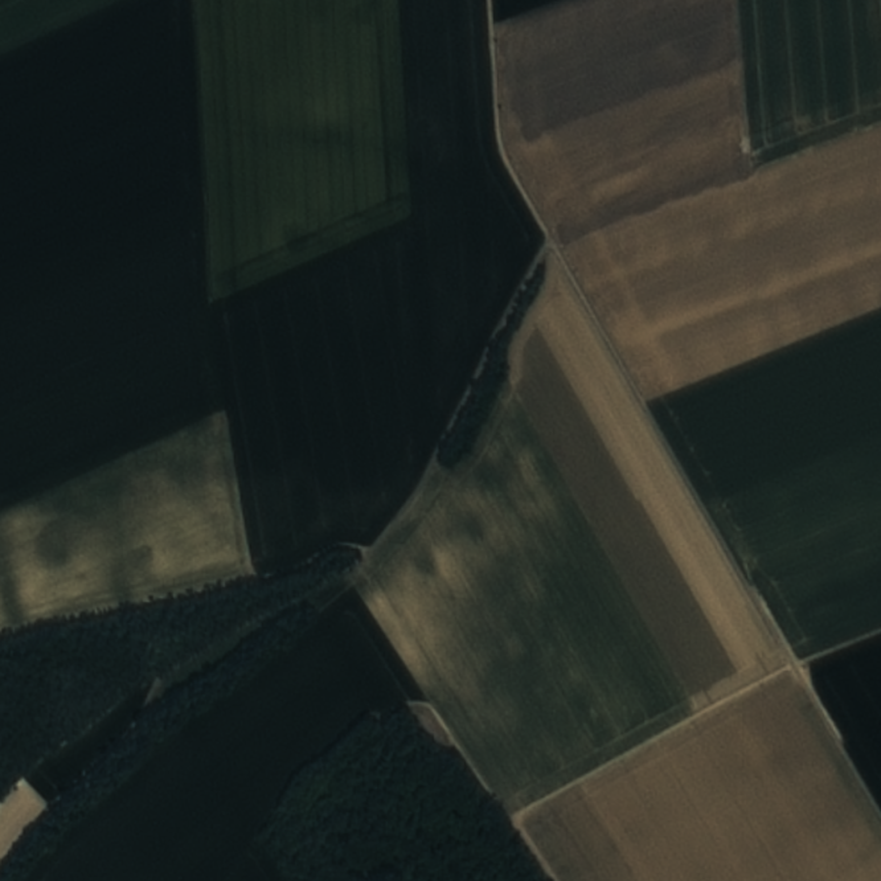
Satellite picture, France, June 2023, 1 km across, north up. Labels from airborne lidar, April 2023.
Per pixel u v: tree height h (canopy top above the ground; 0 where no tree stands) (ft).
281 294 0
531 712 0
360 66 0
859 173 0
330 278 0
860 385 0
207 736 0
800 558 0
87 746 0
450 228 0
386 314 0
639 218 0
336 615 0
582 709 0
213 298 0
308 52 0
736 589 0
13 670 63
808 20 0
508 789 0
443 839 68
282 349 0
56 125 0
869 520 0
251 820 0
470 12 0
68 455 0
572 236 0
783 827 0
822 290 0
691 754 0
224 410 0
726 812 0
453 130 0
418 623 0
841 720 0
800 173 0
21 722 64
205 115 0
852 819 0
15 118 0
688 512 0
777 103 0
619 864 0
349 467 0
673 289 0
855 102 0
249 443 0
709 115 0
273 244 0
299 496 0
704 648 0
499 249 0
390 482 0
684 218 0
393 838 68
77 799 48
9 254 0
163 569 0
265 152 0
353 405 0
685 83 0
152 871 0
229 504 0
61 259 0
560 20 0
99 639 61
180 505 0
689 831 0
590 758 0
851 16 0
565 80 0
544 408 0
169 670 55
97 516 0
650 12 0
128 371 0
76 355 0
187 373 0
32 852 40
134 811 0
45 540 0
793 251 0
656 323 0
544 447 0
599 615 0
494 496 0
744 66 0
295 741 0
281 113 0
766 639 0
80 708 54
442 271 0
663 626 0
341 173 0
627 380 0
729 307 0
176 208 0
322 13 0
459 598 0
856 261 0
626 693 0
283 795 32
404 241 0
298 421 0
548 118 0
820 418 0
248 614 48
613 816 0
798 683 0
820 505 0
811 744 0
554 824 0
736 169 0
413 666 0
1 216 0
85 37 0
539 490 0
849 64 0
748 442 0
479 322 0
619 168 0
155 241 0
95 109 0
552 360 0
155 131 0
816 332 0
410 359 0
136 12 0
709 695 0
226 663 25
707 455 0
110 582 0
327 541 0
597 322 0
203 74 0
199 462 0
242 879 0
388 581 0
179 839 0
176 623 47
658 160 0
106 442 0
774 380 0
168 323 0
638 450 0
